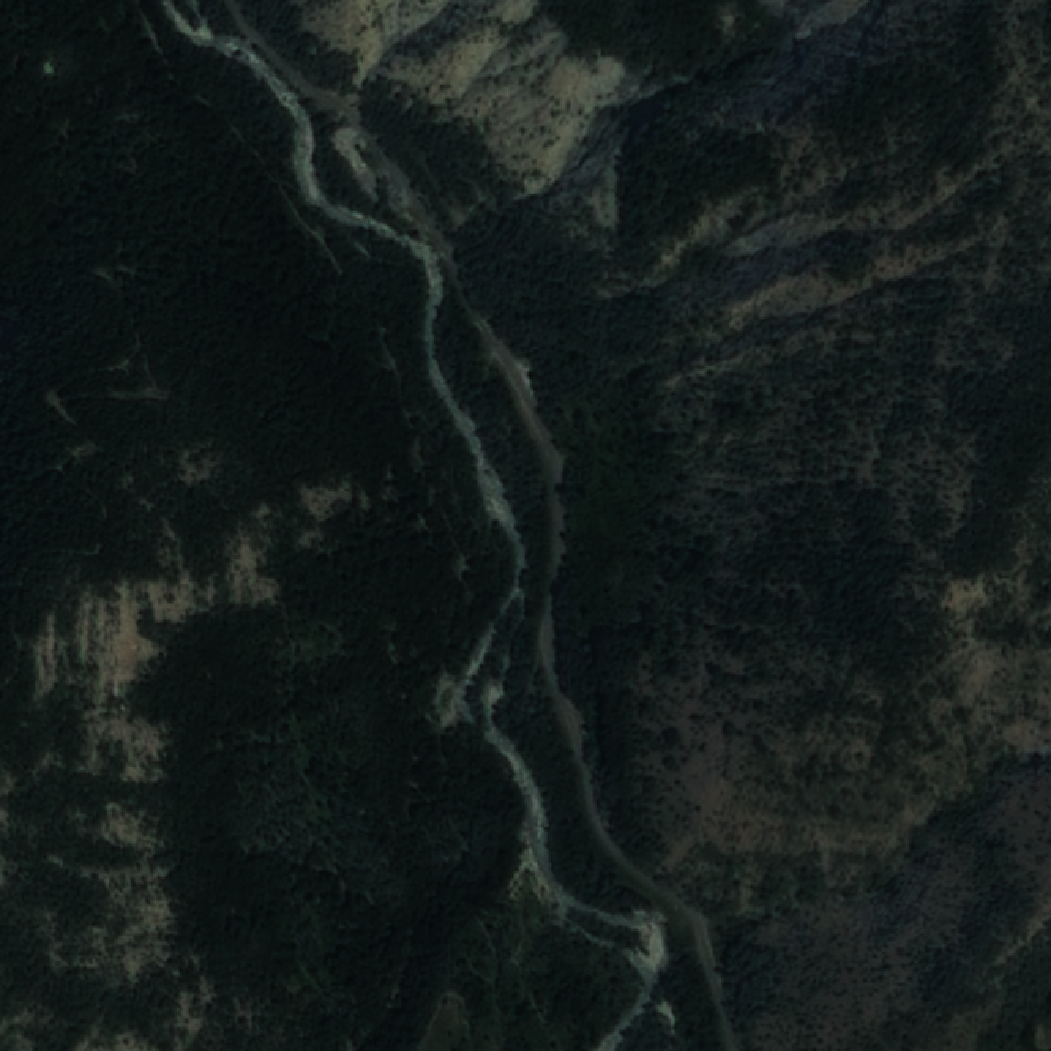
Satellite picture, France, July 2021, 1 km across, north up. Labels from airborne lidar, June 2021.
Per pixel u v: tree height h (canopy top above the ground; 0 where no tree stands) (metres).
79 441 10
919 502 6
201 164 9
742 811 0
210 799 18
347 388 19
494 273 11
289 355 13
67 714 12
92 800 10
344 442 16
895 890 6
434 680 10
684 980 7
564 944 8
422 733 16
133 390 9
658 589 7
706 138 11
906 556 7
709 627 10
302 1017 10
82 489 10
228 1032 10
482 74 0
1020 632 8
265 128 12
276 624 14
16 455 14
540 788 14
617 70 0
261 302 22
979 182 7
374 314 9
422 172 8
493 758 10
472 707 16
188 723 15
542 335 10
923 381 7
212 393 11
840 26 0
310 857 12
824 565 10
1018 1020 11
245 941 16
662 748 5
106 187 14
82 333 9
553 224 8
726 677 9
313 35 10
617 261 10
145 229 15
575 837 9
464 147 9
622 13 7
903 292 6
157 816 9
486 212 12
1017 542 6
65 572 8
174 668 13
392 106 8
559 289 16
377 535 20
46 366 12
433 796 16
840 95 8
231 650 14
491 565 12
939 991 9
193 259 23
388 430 16
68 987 9
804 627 7
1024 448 8
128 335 11
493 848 12
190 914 9
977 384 9
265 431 17
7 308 16
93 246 15
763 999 10
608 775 15
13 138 17
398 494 18
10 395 14
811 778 8
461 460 12
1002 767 8
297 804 16
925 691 6
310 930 17
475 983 19
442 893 19
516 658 13
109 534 13
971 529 8
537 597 8
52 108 17
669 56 9
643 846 13
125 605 0
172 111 15
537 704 12
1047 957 10
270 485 10
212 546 14
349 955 21
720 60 9
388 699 18
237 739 15
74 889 14
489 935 12
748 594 6
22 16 11
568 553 7
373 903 11
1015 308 6
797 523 6
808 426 8
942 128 10
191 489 6
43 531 12
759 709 10
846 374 7
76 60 13
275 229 19
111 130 8
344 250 12
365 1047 17
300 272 21
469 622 15
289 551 12
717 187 11
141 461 10
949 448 8
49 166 20
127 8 8
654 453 16
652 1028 12
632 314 14
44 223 25
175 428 8
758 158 10
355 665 17
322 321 13
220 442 10
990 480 7
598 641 21
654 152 13
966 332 6
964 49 6
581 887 10
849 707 7
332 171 11
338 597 16
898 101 6
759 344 6
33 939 11
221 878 15
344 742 14
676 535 16
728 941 8
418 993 19
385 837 14
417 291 14
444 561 13
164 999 8
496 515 0
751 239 0
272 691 18
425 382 11
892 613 9
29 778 9
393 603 15
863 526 12
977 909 6
